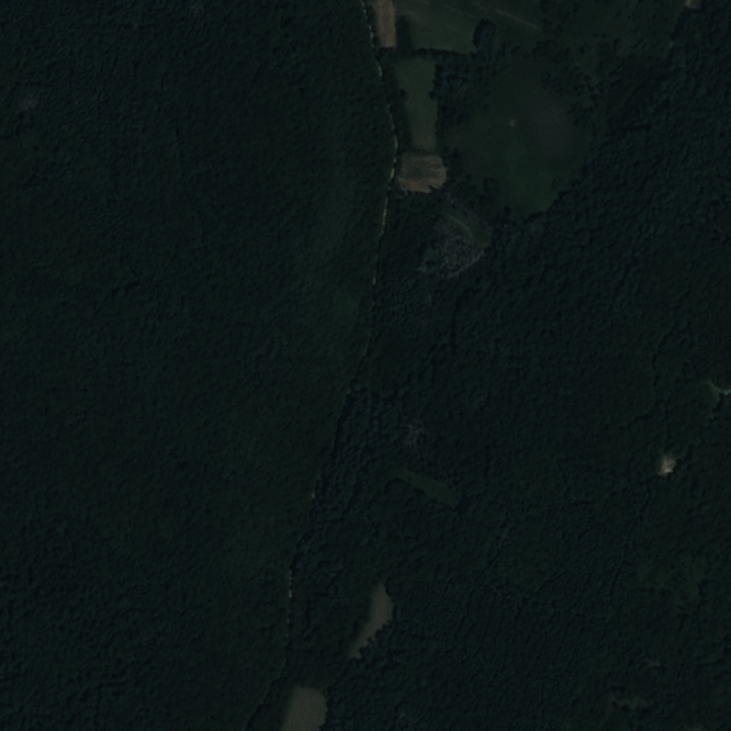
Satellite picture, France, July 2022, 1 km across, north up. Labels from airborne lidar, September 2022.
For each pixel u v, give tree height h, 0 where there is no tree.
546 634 17
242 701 24
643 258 6
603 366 17
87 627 17
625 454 15
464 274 16
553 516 24
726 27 25
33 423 14
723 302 16
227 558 12
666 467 0
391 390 8
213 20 15
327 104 7
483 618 16
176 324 19
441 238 10
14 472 15
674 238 15
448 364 29
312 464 17
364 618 16
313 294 10
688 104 24
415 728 23
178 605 10
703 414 25
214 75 20
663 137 27
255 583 21
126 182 17
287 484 17
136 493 25
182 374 17
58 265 12
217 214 16
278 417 15
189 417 17
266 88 19
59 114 25
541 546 20
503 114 0
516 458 20
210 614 16
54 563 9
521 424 23
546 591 25
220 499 16
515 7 0
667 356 20
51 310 18
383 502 15
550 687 10
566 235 19
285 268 14
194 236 12
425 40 0
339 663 15
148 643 6
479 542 16
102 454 14
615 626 15
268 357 12
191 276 22
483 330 14
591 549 21
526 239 35
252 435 15
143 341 18
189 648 15
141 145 12
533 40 0
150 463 17
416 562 24
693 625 18
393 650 22
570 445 18
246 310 18
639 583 18
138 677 21
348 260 18
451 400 19
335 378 16
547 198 0
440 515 23
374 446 34
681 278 20
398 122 18
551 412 18
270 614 22
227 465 16
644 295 16
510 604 28
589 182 17
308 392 12
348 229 11
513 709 18
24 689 18
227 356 19
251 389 17
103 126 26
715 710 24
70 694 12
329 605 21
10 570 11
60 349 18
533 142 0
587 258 22
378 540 22
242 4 20
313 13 13
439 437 18
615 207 25
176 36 13
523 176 0
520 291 22
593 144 8
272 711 29
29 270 21
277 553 10
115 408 16
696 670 19
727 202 26
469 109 11
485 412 22
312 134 17
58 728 21
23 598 8
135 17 32
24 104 20
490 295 16
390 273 19
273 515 7
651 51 7
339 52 12
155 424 17
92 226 19
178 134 18
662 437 17
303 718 0
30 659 18
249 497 17
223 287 15
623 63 9
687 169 13
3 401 15
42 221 17
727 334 19
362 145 15
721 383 17
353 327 15
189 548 23
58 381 18
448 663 18
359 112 16
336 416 19
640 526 19
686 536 20
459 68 20
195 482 24
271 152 18
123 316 23
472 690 16
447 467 24
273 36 21
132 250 19
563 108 0
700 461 22
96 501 17
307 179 15
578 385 17
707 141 13
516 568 20
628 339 12
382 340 18
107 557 11
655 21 8
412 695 21
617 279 25
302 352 12
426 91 0
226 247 13
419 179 0
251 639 22
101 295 25
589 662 14
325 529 33
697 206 17
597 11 0
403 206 13
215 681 22
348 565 17
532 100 0
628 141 25
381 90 14
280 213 15
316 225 9
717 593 20
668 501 16
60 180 20
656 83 7
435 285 17
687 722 17
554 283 29
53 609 10
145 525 20
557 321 26
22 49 15
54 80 18
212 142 17
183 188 15
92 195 21
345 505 31
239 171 17
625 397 18
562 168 0
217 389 21
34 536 10
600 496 17
